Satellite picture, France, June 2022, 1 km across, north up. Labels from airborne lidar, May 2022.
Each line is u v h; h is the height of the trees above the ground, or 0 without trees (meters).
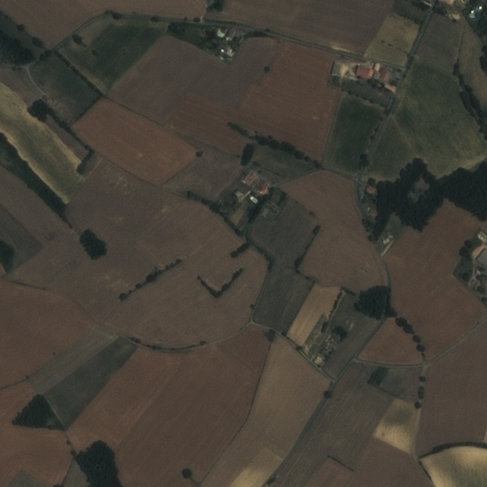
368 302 18
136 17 0
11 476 0
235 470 0
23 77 0
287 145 10
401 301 0
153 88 0
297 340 0
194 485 0
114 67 0
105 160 0
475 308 0
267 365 0
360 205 0
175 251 0
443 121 0
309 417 0
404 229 0
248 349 0
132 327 0
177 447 0
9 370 0
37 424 10
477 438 0
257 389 0
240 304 0
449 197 16
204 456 0
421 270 0
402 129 0
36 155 0
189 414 0
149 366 0
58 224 0
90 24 0
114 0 0
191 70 0
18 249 0
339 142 0
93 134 0
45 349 0
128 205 0
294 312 0
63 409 0
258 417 0
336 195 0
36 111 15
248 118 0
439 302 0
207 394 0
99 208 0
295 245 0
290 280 0
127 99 0
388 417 0
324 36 0
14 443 0
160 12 0
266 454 0
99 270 0
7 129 0
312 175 0
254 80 0
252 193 8
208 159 0
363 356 0
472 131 0
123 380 0
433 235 0
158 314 0
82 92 0
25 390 0
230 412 0
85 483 0
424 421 0
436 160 0
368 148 6
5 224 0
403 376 0
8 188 0
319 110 0
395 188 20
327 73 0
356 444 0
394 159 0
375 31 0
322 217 0
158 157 0
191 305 0
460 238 0
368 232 9
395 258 0
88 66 0
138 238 0
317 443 0
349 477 0
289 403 0
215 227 0
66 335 0
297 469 0
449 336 0
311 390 0
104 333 0
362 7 0
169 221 0
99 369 0
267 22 0
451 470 0
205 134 0
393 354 0
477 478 0
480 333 0
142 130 0
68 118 0
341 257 0
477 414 0
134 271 0
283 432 0
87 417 0
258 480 0
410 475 0
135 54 0
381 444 0
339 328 13
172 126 0
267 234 0
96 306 0
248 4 0
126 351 0
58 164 0
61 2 0
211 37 6
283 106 0
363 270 0
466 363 0
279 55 0
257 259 0
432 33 0
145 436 0
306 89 0
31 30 0
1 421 0
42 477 0
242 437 0
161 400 0
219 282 0
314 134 0
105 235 0
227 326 0
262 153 0
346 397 0
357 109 0
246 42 0
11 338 0
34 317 0
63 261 0
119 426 0
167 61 0
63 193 0
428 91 0
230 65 0
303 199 0
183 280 0
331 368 0
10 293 0
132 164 0
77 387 0
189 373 0
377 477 0
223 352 0
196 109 0
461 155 0
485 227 0
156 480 0
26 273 0
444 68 0
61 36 0
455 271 0
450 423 0
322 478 0
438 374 0
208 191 0
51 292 0
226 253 0
